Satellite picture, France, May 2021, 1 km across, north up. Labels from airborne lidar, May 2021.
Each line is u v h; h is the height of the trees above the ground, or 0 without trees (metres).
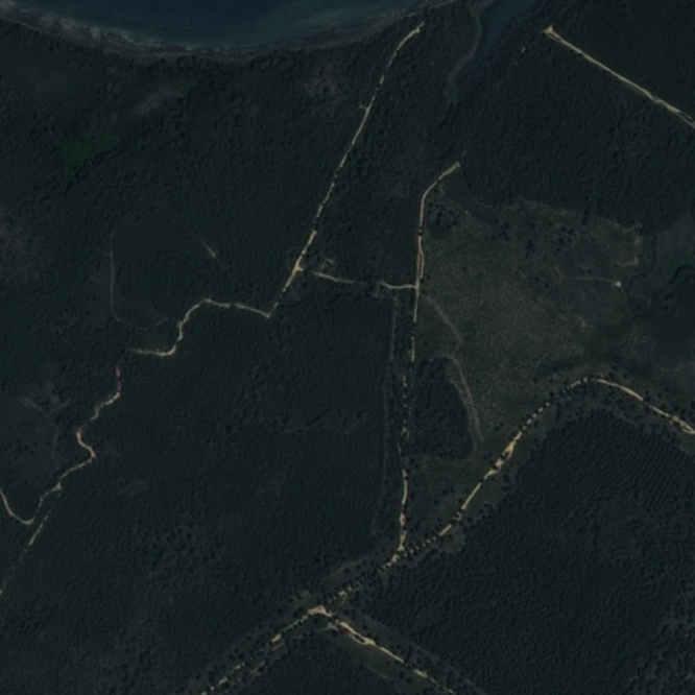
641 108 8
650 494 14
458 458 11
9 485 11
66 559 7
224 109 8
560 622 10
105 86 11
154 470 7
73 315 10
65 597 12
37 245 17
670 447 14
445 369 18
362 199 10
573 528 13
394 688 12
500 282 0
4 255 14
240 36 0
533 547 10
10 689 14
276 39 0
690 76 7
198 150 10
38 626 14
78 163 8
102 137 6
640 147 17
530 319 0
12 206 13
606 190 14
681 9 5
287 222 8
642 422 20
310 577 11
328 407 10
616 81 9
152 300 6
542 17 16
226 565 12
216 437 13
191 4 0
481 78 13
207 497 13
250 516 11
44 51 6
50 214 16
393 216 14
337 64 12
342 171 9
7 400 0
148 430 9
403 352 10
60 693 11
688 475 12
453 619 14
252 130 12
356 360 12
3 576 11
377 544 9
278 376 13
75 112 6
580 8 6
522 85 13
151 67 7
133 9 0
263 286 8
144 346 8
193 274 10
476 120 7
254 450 13
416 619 10
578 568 12
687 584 19
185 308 9
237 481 12
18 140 12
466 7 9
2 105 10
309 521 11
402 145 14
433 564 11
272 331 9
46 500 9
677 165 12
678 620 10
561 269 0
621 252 0
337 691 13
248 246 8
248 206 8
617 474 12
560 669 13
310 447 10
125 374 10
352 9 0
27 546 8
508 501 11
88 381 7
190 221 7
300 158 12
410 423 19
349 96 17
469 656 11
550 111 13
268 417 20
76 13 0
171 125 16
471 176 11
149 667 16
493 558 11
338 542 11
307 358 11
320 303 13
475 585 13
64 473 8
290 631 12
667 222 14
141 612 11
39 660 8
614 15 7
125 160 6
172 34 0
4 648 9
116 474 8
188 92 7
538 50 12
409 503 10
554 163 10
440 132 15
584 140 9
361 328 11
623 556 19
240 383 13
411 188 11
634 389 0
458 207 0
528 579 11
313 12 0
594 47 6
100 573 11
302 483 11
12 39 7
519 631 9
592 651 10
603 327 0
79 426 7
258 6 0
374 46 11
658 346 0
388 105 14
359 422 7
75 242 10
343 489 10
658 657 10
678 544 19
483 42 0
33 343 6
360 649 0
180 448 10
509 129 14
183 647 11
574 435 13
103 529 11
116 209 11
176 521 14
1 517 8
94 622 11
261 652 17
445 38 11
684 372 0
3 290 16
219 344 10
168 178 6
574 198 11
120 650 9
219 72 7
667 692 12
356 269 14
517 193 13
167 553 15
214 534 14
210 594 13
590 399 22
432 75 13
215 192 9
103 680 14
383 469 12
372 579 12
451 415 13
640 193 11
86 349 7
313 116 17
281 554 12
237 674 13
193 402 12
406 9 0
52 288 12
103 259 8
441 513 0
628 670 8
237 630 11
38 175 9
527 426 9
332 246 8
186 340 7
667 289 7
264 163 10
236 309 10
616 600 12
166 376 9
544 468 12
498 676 10
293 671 13
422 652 12
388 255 12
